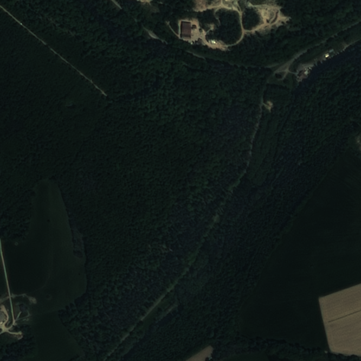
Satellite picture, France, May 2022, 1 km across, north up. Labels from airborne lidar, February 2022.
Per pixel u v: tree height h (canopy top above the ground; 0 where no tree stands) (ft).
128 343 77
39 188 0
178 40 47
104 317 104
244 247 39
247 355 0
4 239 72
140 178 77
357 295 0
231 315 59
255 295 0
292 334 0
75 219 65
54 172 34
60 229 0
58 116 26
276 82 0
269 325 0
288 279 0
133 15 79
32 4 108
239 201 110
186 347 68
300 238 0
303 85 54
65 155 27
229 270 63
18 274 0
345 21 116
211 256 118
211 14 50
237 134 110
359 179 0
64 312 47
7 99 34
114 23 84
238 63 0
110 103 54
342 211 0
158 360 67
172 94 105
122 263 69
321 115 79
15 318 0
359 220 0
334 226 0
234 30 58
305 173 34
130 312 108
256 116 75
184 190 96
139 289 109
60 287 0
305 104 72
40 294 0
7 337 0
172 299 0
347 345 0
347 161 0
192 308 65
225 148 87
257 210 36
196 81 102
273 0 0
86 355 61
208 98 93
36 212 0
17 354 51
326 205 0
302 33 63
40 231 0
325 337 0
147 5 0
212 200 121
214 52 44
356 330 0
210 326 60
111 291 101
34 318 0
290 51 74
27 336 57
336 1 31
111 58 40
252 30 0
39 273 0
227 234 104
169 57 108
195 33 0
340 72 78
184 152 73
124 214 72
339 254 0
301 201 73
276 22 0
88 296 79
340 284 0
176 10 42
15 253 0
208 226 94
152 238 83
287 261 0
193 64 55
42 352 0
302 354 91
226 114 86
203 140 72
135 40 92
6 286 0
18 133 40
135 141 74
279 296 0
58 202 0
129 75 44
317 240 0
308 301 0
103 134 66
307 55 59
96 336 90
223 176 120
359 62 94
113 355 39
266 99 50
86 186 60
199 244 94
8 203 36
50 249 0
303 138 87
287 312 0
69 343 0
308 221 0
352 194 0
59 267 0
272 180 72
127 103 76
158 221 75
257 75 89
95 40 94
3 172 35
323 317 0
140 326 52
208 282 59
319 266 0
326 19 99
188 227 115
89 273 55
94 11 114
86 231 67
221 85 103
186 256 101
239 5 0
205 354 0
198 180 105
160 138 79
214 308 60
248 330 0
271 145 62
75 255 41
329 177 0
